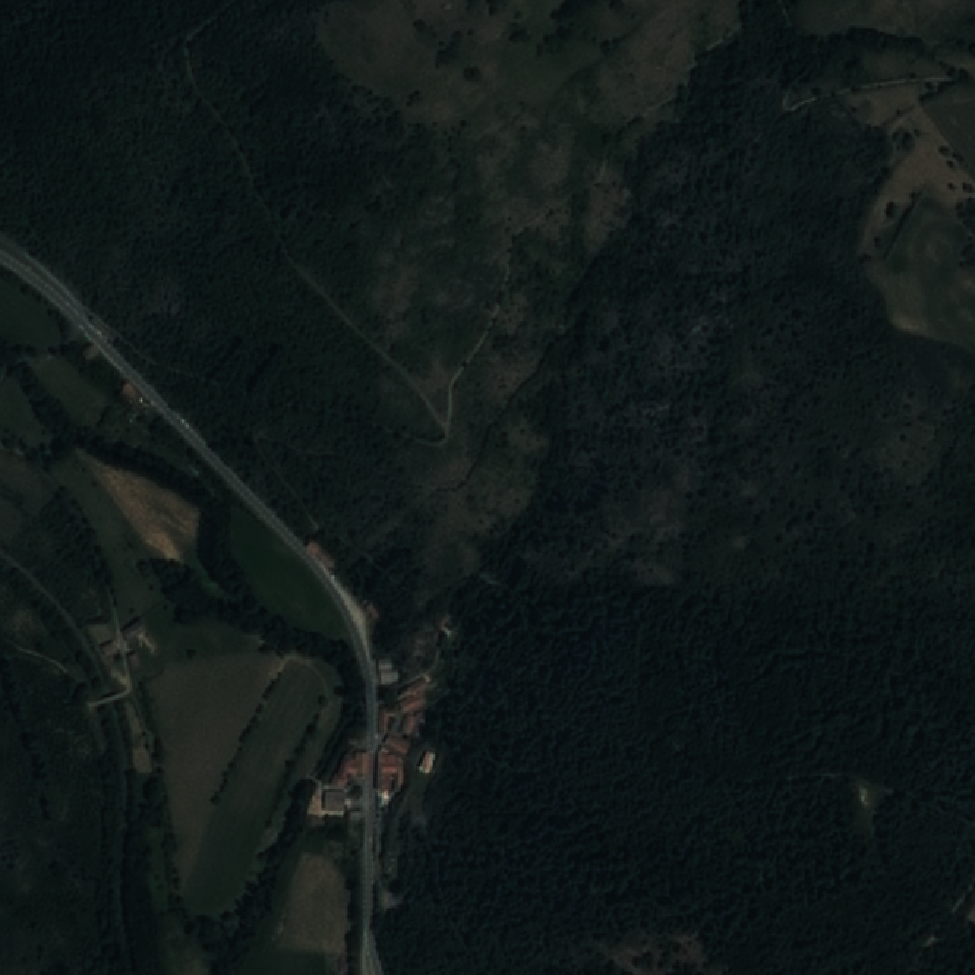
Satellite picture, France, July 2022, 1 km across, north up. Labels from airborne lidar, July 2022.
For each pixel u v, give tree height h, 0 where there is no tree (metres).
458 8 0
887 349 6
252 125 10
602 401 7
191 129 10
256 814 0
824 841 11
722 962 6
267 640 16
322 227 9
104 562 12
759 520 15
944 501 6
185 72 7
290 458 10
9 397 0
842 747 12
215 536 40
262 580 0
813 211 6
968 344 0
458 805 7
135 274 7
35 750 22
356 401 8
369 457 13
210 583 0
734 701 20
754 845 23
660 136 14
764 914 8
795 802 24
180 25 7
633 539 11
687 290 7
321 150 8
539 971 8
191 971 0
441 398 0
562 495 8
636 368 11
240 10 7
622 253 11
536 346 9
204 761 0
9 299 0
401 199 6
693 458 8
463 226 10
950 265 0
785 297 9
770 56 10
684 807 24
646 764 24
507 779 27
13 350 9
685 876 11
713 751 13
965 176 0
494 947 8
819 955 16
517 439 0
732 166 7
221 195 13
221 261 12
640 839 19
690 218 12
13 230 12
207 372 13
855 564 12
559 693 24
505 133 0
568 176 0
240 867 0
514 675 9
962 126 0
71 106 12
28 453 14
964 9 0
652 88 0
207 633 0
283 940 0
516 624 23
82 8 15
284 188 10
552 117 0
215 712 0
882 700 9
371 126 12
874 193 7
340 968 0
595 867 17
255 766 0
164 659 0
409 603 23
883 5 0
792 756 20
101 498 0
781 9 13
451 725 17
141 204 6
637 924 10
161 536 0
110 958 11
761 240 7
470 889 8
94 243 6
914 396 8
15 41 10
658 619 26
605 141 11
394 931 11
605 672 28
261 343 9
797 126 7
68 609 11
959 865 13
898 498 7
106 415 6
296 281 9
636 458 6
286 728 0
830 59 11
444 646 9
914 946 7
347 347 7
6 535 0
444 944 10
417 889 6
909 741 14
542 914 19
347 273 8
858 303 11
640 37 0
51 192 10
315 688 0
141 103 6
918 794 11
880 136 7
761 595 14
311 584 0
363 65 0
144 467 35
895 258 0
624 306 7
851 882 22
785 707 24
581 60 0
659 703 13
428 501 0
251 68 7
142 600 0
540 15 0
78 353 8
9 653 6
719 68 14
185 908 14
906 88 0
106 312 7
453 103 0
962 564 14
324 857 0
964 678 11
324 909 0
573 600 28
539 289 12
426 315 10
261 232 9
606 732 20
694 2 0
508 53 0
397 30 0
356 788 6
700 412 11
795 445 8
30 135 15
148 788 13
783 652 15
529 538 8
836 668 15
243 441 6
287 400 9
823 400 7
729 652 27
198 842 0
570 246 7
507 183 0
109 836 14
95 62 15
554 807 27
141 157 10
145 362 9
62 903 6
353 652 12
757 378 0
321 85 11
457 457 0
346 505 13
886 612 15
